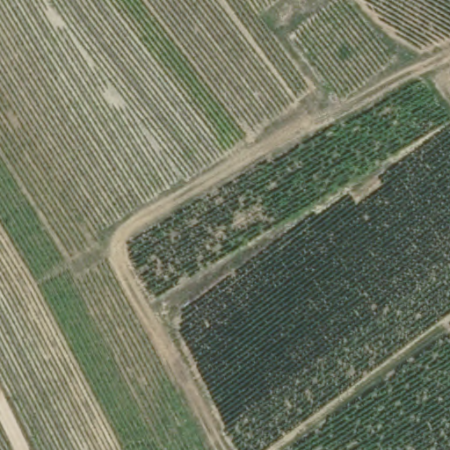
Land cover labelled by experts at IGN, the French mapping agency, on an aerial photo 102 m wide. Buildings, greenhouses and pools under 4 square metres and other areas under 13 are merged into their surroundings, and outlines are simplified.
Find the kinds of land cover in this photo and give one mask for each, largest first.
<instances>
[{"label":"vineyard","instance_id":"1","mask_svg":"<svg viewBox=\"0 0 450 450\"><path fill-rule=\"evenodd\" d=\"M446 53H450V0H0V392L4 394L5 401L9 404L30 450H211L197 418L193 417L185 390L172 383L151 337L146 332V327L142 325L134 306L128 301L120 281L114 274L109 262V243L112 234L144 207L178 192L179 188L193 183L200 176H206L227 162L225 158H221L220 162L211 163V158H214V153L229 149L246 137L243 128L236 125L237 120L246 121L250 128L260 123L262 118L271 121L260 135L255 137L257 144H260L279 128L301 120L302 116L327 109L329 93L345 97L348 91L362 83L364 77L371 76L376 67L387 62L392 54L397 56V62L388 65L387 70H381L380 77L383 79L396 70L427 58L441 62ZM272 160L248 163L236 179L209 186L206 192L185 200L167 216L153 221L148 227L135 232L132 239H128V257L134 262L137 276L148 288L144 292L146 302L158 318L167 313L172 318H181V334L185 337L186 345L199 367L200 376L206 381L214 404L225 422V431L234 441L237 450H450V63L424 72L417 79H411L403 86L390 91L366 109L353 112L346 118H339L327 127L302 137L301 141L295 142L287 151L276 149Z\"/></svg>","mask_w":450,"mask_h":450},{"label":"pervious surface","instance_id":"2","mask_svg":"<svg viewBox=\"0 0 450 450\"><path fill-rule=\"evenodd\" d=\"M397 62V56L392 54L387 62L376 67L371 76L364 77L362 83L348 91L345 97L329 93L327 109L302 116L301 120L279 128L260 144H257L255 137L260 135L271 121L262 118L260 123L250 128L246 121L237 120L236 125L243 128L246 137L229 149L214 153V158H211V163L220 162L221 158H225L227 162L206 176H200L193 183L179 188L178 192L144 207L112 234L109 243V262L114 274L120 281L128 301L134 306L142 325L146 327V332L151 337L172 383L185 390L193 417L197 418L211 450H237L234 441L225 431V422L214 404L206 381L200 376L199 367L186 345L185 337L181 334V318H172L167 313L158 318L146 302L144 292L148 288L137 276L134 262L128 257V239H132L135 232L148 227L153 221L167 216L185 200L206 192L209 186L236 179L248 163L272 160L276 149L287 151L295 142L301 141L302 137L327 127L339 118H346L353 112L366 109L390 91L403 86L411 79H417L424 72L450 63V53H446L441 62L427 58L396 70L383 79L380 77L381 70H387L388 65ZM0 450H30L9 404L5 401L4 394L0 392Z\"/></svg>","mask_w":450,"mask_h":450}]
</instances>
